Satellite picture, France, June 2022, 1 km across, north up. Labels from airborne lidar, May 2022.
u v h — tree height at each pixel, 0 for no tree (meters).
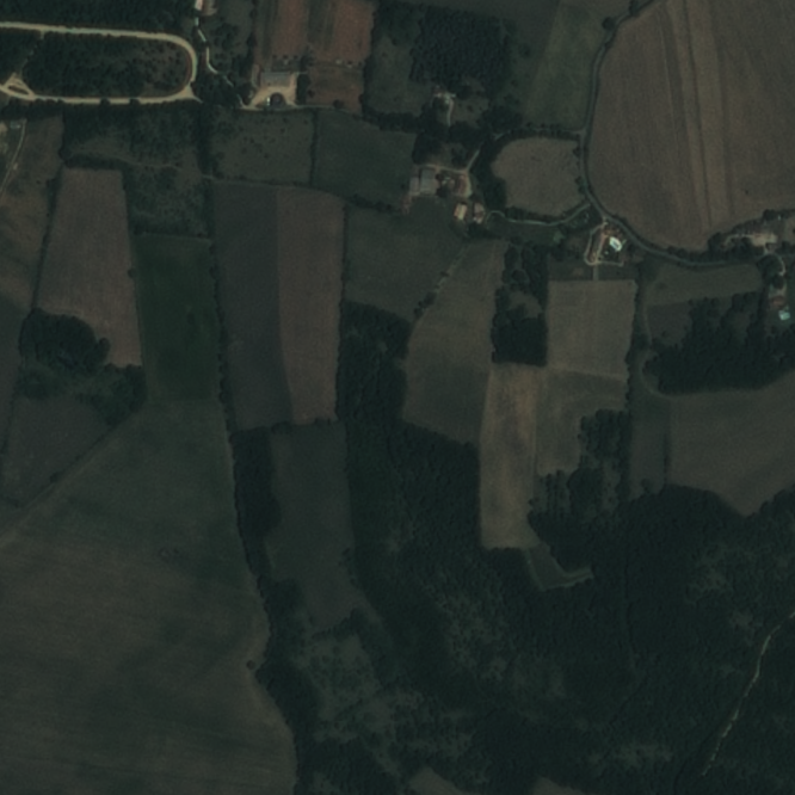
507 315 8
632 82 0
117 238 0
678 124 0
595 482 10
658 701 8
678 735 10
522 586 17
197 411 0
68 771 0
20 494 0
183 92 0
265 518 11
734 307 10
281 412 0
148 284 0
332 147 0
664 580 12
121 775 0
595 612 11
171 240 0
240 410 0
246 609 0
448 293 0
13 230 0
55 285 0
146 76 8
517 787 13
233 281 0
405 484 9
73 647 0
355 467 6
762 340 13
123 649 0
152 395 0
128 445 0
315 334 0
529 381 0
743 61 0
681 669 11
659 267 0
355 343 9
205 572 0
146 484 0
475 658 8
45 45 7
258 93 0
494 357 11
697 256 6
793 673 6
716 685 9
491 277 0
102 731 0
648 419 0
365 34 0
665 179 0
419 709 6
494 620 7
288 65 0
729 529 11
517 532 0
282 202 0
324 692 0
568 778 17
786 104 0
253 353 0
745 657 10
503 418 0
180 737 0
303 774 9
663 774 15
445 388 0
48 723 0
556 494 7
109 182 0
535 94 0
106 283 0
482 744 8
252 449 14
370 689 0
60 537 0
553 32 0
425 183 0
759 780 7
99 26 13
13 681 0
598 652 13
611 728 11
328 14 0
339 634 8
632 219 0
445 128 8
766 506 11
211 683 0
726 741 7
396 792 9
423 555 9
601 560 19
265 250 0
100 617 0
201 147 9
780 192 0
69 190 0
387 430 13
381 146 0
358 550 6
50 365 9
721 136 0
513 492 0
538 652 7
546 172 0
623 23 0
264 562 18
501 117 9
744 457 0
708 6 0
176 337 0
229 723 0
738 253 15
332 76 0
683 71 0
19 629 0
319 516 0
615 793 14
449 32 13
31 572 0
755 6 0
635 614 14
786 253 12
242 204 0
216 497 0
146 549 0
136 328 0
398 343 9
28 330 15
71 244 0
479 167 8
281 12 0
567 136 8
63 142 6
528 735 14
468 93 10
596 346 0
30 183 0
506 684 11
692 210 0
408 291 0
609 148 0
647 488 9
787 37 0
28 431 0
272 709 0
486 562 8
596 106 0
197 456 0
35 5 15
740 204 0
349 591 0
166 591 0
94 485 0
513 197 0
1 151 0
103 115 8
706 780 14
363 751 11
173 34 7
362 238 0
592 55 0
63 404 0
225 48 9
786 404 0
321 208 0
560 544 14
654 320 0
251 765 0
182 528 0
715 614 12
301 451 0
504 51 7
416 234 0
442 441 14
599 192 0
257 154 0
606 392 0
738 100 0
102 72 10
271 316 0
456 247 0
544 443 0
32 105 9
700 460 0
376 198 0
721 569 8
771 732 6
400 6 8
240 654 0
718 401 0
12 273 0
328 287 0
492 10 0
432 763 11
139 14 12
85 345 10
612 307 0
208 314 0
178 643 0
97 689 0
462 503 12
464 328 0
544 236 0
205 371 0
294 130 0
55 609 0
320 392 0
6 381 0
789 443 0
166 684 0
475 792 8
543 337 10
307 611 0
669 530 19
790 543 6
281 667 10
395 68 0
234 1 0
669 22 0
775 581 6
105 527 0
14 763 0
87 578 0
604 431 10
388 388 9
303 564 0
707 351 10
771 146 0
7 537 0
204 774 0
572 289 0
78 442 0
